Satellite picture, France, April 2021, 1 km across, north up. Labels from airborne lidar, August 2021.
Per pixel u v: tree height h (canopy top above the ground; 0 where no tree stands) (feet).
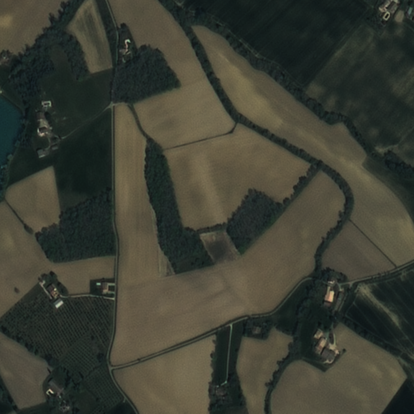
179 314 0
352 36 0
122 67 51
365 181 0
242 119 55
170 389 0
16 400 0
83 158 0
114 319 0
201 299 0
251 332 35
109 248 63
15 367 0
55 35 58
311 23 0
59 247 74
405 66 0
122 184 0
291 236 0
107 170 0
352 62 0
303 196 0
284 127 0
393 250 0
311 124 0
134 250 0
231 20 0
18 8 0
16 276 0
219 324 0
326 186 0
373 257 0
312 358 0
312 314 69
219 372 0
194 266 39
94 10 0
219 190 0
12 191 0
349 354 0
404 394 0
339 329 0
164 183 71
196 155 0
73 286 0
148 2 0
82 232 61
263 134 19
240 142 0
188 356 0
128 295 0
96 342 43
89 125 0
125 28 42
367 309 0
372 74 0
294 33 0
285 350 0
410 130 0
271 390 34
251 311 0
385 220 0
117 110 0
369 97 0
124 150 0
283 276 0
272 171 0
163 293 0
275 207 70
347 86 0
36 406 0
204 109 0
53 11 0
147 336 0
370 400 0
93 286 0
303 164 0
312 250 0
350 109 0
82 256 51
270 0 0
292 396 0
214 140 0
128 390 0
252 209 63
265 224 51
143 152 0
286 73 0
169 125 0
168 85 75
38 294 0
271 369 0
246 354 0
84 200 0
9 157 37
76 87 0
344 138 0
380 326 0
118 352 0
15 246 0
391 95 0
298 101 0
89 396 0
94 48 0
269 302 0
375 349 0
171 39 0
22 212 0
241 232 64
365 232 0
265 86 0
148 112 0
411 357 0
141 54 60
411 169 54
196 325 0
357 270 0
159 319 0
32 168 0
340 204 0
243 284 0
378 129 0
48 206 0
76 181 0
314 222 0
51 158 0
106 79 0
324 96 0
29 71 60
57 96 0
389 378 0
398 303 0
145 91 64
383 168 0
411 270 0
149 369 0
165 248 70
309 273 0
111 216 51
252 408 0
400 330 0
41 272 0
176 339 0
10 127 0
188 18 61
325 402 0
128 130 0
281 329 54
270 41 0
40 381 0
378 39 0
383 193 0
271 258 0
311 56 0
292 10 0
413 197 0
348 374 0
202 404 0
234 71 0
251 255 0
